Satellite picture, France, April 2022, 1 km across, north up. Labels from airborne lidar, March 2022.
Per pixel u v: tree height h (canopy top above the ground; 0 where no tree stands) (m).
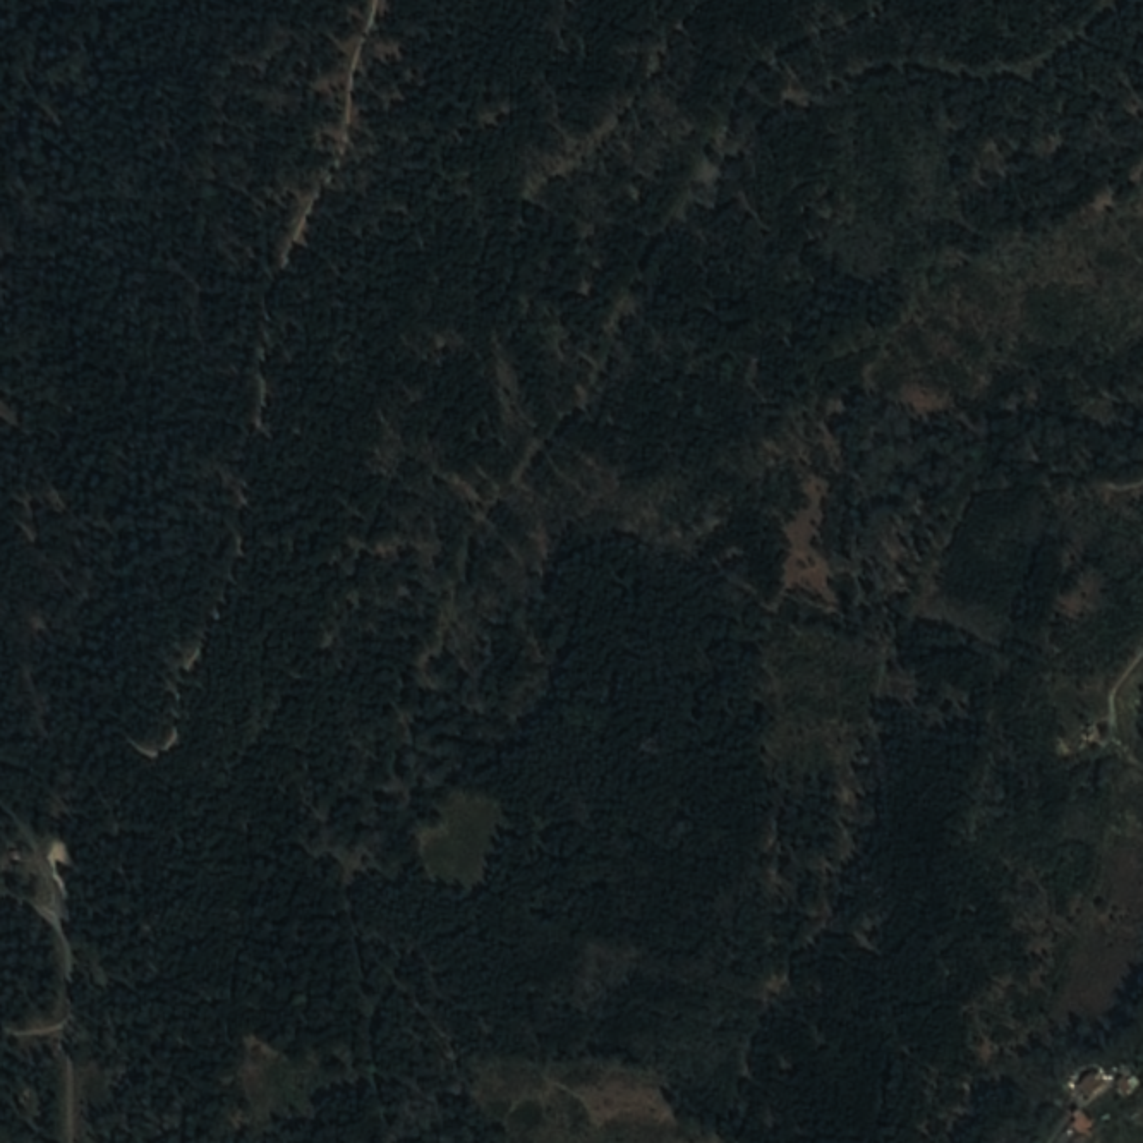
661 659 32
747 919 26
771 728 22
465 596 17
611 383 17
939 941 12
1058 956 7
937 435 10
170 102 11
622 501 24
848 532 10
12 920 19
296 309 20
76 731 20
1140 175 0
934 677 25
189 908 22
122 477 8
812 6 23
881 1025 19
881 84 29
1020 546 12
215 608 15
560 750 35
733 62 29
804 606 13
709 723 29
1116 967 0
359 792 27
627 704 32
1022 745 8
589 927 27
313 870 31
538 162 21
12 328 22
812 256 17
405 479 22
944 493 18
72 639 20
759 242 21
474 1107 26
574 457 21
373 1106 29
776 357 17
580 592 31
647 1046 18
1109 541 11
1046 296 7
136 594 15
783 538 12
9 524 15
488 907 20
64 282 28
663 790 29
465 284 20
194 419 13
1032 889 8
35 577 17
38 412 9
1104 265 8
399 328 18
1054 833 6
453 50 16
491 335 22
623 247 23
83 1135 0
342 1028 23
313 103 15
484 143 18
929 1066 14
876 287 7
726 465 18
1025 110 21
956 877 18
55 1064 25
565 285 20
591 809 31
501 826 0
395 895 34
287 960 30
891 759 20
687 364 17
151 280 12
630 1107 0
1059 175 20
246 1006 19
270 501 19
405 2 9
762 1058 18
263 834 22
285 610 19
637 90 24
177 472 19
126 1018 24
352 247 13
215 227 12
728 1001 14
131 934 26
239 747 16
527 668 9
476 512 23
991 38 11
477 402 27
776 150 20
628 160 21
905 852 30
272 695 16
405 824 21
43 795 23
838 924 20
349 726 21
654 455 16
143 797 17
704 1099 17
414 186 13
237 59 13
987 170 24
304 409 17
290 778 21
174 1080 7
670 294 26
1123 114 35
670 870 28
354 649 24
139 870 22
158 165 11
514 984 29
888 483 29
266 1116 0
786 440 20
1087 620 11
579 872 35
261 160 13
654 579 33
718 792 22
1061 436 26
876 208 9
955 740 22
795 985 16
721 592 30
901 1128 25
